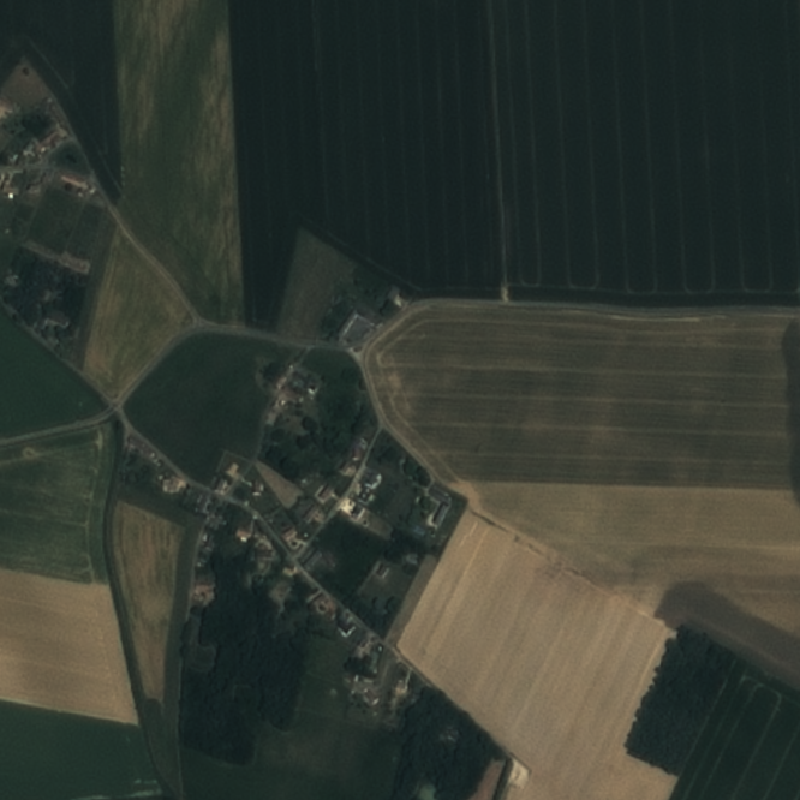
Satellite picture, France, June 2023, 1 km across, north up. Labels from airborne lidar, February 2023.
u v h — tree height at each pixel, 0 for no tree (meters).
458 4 0
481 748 16
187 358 0
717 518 0
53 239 0
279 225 0
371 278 0
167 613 0
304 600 7
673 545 0
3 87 0
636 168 0
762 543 0
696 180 0
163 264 0
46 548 0
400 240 0
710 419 0
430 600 0
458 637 0
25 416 0
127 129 0
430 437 0
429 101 0
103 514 0
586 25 0
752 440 0
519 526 0
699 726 10
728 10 0
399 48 0
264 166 0
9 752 0
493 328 0
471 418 0
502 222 0
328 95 0
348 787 0
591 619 0
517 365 0
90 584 0
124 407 0
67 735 0
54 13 0
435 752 19
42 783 0
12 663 0
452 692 0
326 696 0
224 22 0
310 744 0
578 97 0
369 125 0
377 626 16
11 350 0
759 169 0
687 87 0
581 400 0
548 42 0
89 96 0
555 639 0
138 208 0
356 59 0
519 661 0
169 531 0
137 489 0
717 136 0
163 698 0
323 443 7
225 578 17
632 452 0
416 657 0
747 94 0
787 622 0
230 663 20
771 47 0
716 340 0
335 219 0
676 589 0
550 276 0
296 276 0
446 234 0
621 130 0
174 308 0
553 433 0
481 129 0
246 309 0
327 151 0
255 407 0
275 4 0
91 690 0
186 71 0
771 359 0
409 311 0
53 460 0
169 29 0
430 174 0
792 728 0
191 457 0
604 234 0
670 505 0
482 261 0
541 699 0
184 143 0
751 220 0
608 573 0
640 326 0
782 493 0
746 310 0
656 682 12
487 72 0
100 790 0
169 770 0
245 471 0
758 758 0
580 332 0
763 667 0
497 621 0
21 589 0
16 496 0
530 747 0
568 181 0
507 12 0
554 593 0
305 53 0
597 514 0
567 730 0
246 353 0
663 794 0
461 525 0
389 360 0
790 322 0
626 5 0
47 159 0
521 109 0
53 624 0
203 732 13
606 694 0
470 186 0
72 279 8
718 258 0
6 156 7
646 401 0
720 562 0
